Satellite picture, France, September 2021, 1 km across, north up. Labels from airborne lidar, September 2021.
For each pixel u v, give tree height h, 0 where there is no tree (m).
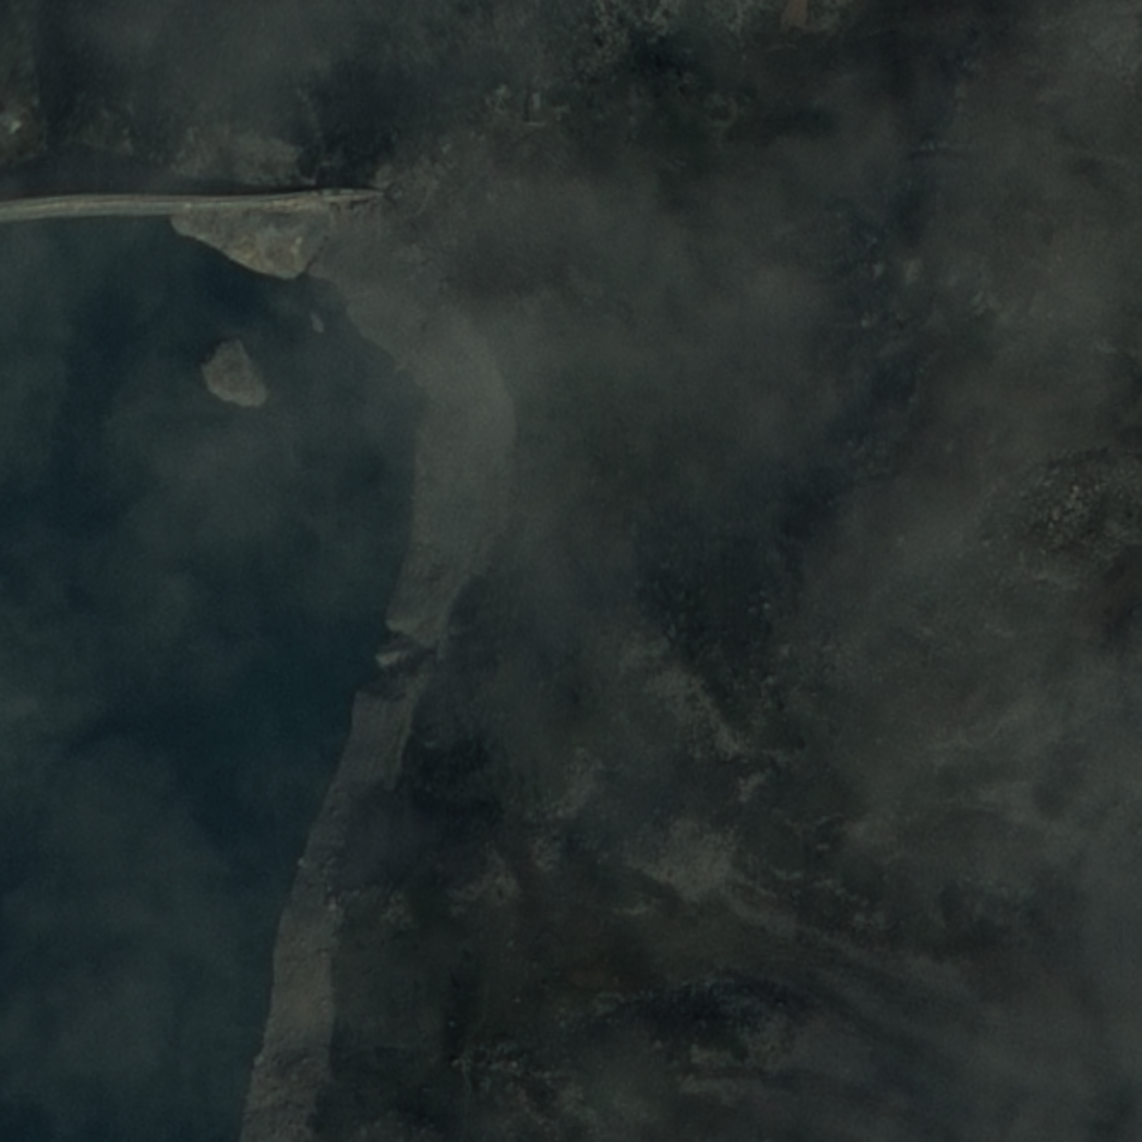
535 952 0
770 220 0
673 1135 0
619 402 0
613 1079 0
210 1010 0
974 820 0
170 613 0
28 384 0
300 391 0
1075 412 0
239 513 0
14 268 0
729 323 0
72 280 0
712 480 0
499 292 0
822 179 0
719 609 0
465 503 0
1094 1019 0
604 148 0
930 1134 0
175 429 0
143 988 0
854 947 0
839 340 0
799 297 0
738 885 0
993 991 0
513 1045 0
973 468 0
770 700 0
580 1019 0
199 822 0
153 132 10
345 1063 0
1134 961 0
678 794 0
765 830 0
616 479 0
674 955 0
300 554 0
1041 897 0
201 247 0
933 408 0
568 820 0
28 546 0
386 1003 0
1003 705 0
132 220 0
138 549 0
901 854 0
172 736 0
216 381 0
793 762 0
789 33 0
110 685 0
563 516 0
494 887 0
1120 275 0
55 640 0
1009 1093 0
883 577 0
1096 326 0
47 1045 0
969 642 0
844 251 0
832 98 0
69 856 0
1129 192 0
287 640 0
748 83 0
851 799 0
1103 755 0
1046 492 0
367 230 0
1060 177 0
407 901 0
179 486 0
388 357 0
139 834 0
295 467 0
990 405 0
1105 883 0
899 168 0
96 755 0
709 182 0
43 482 0
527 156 0
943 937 0
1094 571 0
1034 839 0
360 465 0
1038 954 0
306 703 0
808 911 0
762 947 0
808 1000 0
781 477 6
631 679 0
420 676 0
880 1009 0
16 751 0
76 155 0
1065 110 0
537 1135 0
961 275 0
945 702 0
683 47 0
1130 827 0
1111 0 0
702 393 0
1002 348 0
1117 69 0
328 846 0
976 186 0
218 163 0
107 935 0
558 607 0
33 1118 0
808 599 0
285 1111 0
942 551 0
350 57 8
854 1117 0
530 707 0
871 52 0
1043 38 0
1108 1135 0
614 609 6
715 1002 0
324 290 0
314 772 0
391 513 0
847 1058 0
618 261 0
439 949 0
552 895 0
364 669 0
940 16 0
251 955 0
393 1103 0
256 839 0
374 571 0
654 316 0
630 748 0
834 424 0
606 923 0
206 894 0
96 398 0
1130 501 0
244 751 0
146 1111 0
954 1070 0
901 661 0
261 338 0
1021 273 0
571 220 0
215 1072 0
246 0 10
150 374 0
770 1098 0
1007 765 0
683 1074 0
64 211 0
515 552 0
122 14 9
